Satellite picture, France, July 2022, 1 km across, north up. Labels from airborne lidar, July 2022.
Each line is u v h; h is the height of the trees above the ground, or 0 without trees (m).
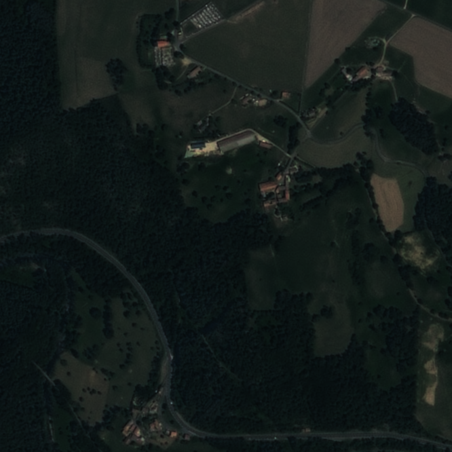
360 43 0
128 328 0
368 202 0
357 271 8
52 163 14
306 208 12
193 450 0
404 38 0
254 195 0
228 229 20
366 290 0
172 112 0
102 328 0
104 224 18
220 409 15
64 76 0
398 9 0
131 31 0
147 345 0
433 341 0
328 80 0
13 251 25
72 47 0
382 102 0
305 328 24
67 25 0
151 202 17
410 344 15
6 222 9
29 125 15
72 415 8
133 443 12
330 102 8
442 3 0
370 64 8
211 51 0
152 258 18
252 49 0
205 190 0
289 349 23
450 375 0
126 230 15
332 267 0
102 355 0
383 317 6
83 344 0
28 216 11
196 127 13
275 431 8
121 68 12
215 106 0
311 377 19
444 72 0
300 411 14
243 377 19
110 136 8
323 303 0
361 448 21
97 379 0
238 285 16
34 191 18
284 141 0
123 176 13
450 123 0
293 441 25
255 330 8
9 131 11
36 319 28
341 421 24
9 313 23
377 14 0
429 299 0
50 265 22
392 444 15
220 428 17
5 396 16
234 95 0
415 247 0
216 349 7
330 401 16
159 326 0
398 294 7
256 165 0
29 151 13
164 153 17
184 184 9
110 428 12
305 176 17
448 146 6
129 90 0
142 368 0
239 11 0
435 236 15
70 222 10
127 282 10
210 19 0
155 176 25
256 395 21
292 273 0
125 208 13
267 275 0
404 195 0
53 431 10
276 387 15
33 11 27
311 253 0
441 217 26
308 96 0
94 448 11
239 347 13
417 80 0
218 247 20
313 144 0
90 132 19
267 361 18
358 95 0
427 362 0
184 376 15
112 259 0
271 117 0
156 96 0
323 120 0
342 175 15
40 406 21
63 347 15
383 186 0
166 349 0
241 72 0
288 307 20
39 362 21
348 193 0
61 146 16
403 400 18
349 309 0
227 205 0
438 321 0
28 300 19
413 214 0
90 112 22
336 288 0
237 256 19
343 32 0
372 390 29
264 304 0
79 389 0
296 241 0
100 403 0
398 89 0
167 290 22
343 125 0
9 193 7
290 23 0
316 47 0
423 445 12
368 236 0
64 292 21
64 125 12
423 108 0
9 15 19
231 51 0
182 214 23
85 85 0
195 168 0
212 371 22
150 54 0
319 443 15
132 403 6
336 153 0
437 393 0
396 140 0
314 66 0
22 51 19
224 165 0
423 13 0
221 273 9
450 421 0
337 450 18
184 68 0
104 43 0
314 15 0
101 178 13
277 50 0
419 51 0
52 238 15
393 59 0
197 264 26
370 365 0
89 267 31
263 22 0
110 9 0
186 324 6
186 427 0
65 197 19
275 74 0
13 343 27
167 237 18
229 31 0
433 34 0
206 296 21
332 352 0
